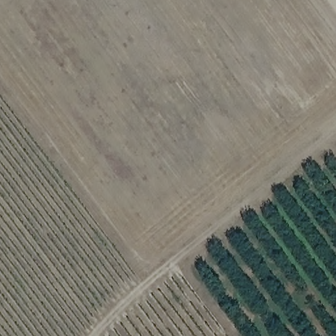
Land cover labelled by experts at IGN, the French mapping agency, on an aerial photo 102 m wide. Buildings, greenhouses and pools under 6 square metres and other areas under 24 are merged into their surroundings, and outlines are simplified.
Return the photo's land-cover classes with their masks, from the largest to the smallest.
<instances>
[{"label":"agricultural land","instance_id":"1","mask_svg":"<svg viewBox=\"0 0 336 336\"><path fill-rule=\"evenodd\" d=\"M0 93H3L5 100L37 142L45 148L47 156L54 160L56 167L62 171L75 192L84 199L92 215H102L114 228L126 247L122 252L123 256L134 266V276L142 281L163 266L165 261L175 256L180 249L184 248L188 256L196 259L199 257L198 252L205 247L207 239L219 230H230L240 215V213L238 207H235L236 203L243 202L261 188L265 182V175L273 177L278 184H282L286 178L294 177V172L303 161L298 157L299 152L319 140L322 133L319 126L329 115L336 112V0H0Z\"/></svg>","mask_w":336,"mask_h":336},{"label":"vineyard","instance_id":"2","mask_svg":"<svg viewBox=\"0 0 336 336\"><path fill-rule=\"evenodd\" d=\"M126 247L114 228L102 215H92L84 199L75 192L62 171L56 167L54 160L47 156L45 148L37 142L5 100L3 93H0V336H88L92 332L91 325L100 323L119 301L142 281L134 276V266L123 256L122 252ZM196 259L188 256L178 262L182 276L169 277L168 274H164L157 278L138 298L127 304L125 318L114 324V329H102L100 336H241L226 312L219 307L217 299L210 294L205 283L198 277L194 266Z\"/></svg>","mask_w":336,"mask_h":336},{"label":"deciduous trees","instance_id":"3","mask_svg":"<svg viewBox=\"0 0 336 336\"><path fill-rule=\"evenodd\" d=\"M294 177L286 178L282 184H278L272 186V201L262 203L261 210L264 218L290 249L291 255L311 278L316 290L336 311V157L327 151L324 152V156H316L314 160L307 157L303 161L294 172ZM240 215L249 230L253 231L257 241L264 245L266 255L276 262L277 268L282 270L287 280L293 283L298 291H304L307 289L306 282L299 276L297 268L287 260L285 252L278 247L276 240L270 236L268 228L260 222L256 213L253 209H247L240 213ZM228 241L239 252L245 264L259 277L270 298L282 308L290 324L301 336H320L307 315L291 301V295L287 293L285 286L273 276L272 270L268 268L262 256L249 243L247 234L240 231V234L228 238ZM207 253L230 278L232 286L244 298L249 310L261 316L270 336H293L281 322L280 316L269 311L265 298L248 274L241 270L235 257L222 244H213ZM194 266L198 277L205 283L210 294L217 299L219 307L226 312L241 336H261L255 323L240 310L238 299L228 297L218 274L199 257L196 259ZM304 304H307L319 319L324 331L327 332L325 336H336V316L332 318L325 311L322 302H316L312 295H307Z\"/></svg>","mask_w":336,"mask_h":336},{"label":"herbaceous vegetation","instance_id":"4","mask_svg":"<svg viewBox=\"0 0 336 336\"><path fill-rule=\"evenodd\" d=\"M260 222L268 228L270 236L276 240L278 247L285 252L287 260L297 268L299 276L306 282L307 289L304 291H298L293 283L287 280L282 270L277 268L276 262L266 255L264 245L257 241L253 231L249 230L240 215L230 230H219L207 239L205 247L198 252L199 257L218 274L228 297L238 299L240 310L255 323L261 336H270L261 316L249 310L244 298L232 286L230 278L207 253L213 244H222L235 257L241 270L248 274L265 298L269 311L280 316L281 322L293 336H301L290 324L282 308L270 298L259 277L245 264L239 252L228 241V238L240 234V231L247 234L249 243L262 256L268 268L272 270L273 276L285 286L287 293L291 295V301L307 315L320 336H325L327 332L324 331L319 319L307 304H304L307 295H312L316 302H322L325 311L332 318L336 316V311L316 290L311 278L291 255L290 249L264 218L261 210L256 213Z\"/></svg>","mask_w":336,"mask_h":336},{"label":"pervious surface","instance_id":"5","mask_svg":"<svg viewBox=\"0 0 336 336\"><path fill-rule=\"evenodd\" d=\"M322 133L319 140L299 152L298 157L303 161L307 157L314 160L316 156H324V152L327 151L336 157V112L329 115L319 126ZM265 182L261 188L243 202L236 203L235 207H238L240 213L247 209H253L256 213L261 210L262 203L272 201V186L278 184L273 177L265 175ZM188 256L184 248L180 249L175 256L165 261L163 266L142 281L119 301L100 323L91 325L92 332L88 336H100L102 329H114V324L125 318L127 304L138 298L157 278L164 274H168L169 277L182 276L178 262Z\"/></svg>","mask_w":336,"mask_h":336}]
</instances>
